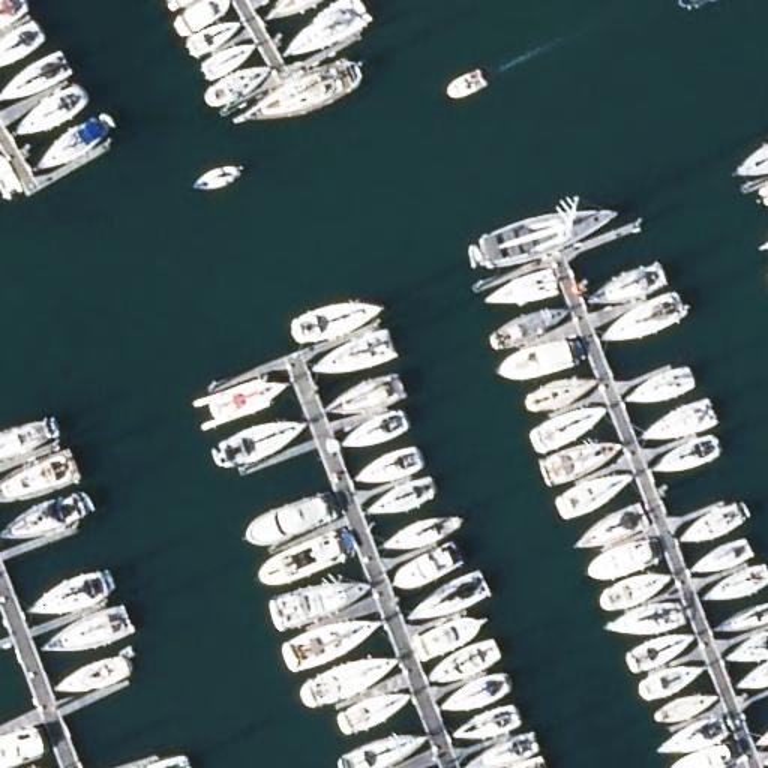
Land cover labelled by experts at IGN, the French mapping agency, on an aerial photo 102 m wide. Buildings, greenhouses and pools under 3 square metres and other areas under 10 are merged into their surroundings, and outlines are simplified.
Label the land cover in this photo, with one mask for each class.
<instances>
[{"label":"water","instance_id":"1","mask_svg":"<svg viewBox=\"0 0 768 768\"><path fill-rule=\"evenodd\" d=\"M0 768H768V0H0Z\"/></svg>","mask_w":768,"mask_h":768}]
</instances>
